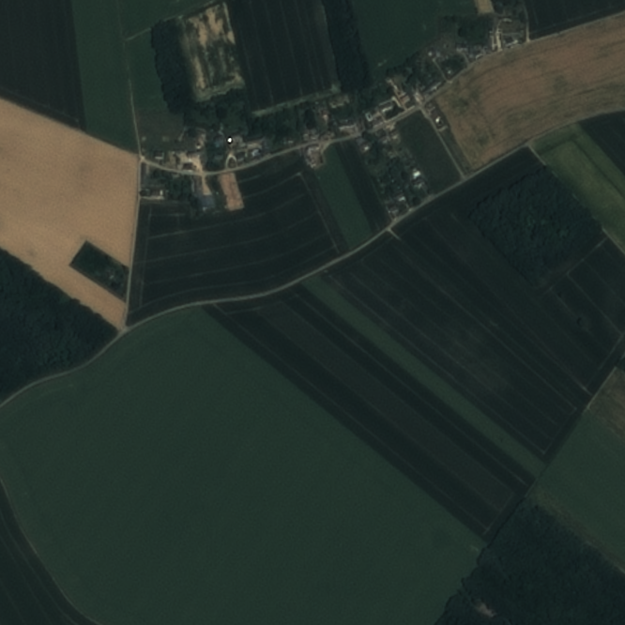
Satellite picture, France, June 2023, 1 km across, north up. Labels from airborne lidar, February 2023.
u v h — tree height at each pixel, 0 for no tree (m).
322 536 0
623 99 0
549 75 0
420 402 0
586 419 0
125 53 0
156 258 0
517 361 0
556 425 0
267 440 0
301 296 0
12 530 0
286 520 0
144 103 0
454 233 0
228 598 0
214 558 0
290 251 0
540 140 0
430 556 0
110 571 0
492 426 0
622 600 20
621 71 0
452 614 16
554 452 0
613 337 0
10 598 0
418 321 0
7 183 0
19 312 18
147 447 0
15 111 0
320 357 0
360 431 0
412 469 0
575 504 0
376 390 0
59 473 0
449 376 0
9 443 0
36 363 19
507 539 15
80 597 0
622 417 0
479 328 0
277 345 0
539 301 0
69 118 0
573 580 17
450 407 0
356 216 0
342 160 0
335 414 0
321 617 0
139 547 0
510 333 0
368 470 0
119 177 0
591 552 18
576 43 0
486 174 0
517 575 9
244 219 0
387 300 0
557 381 0
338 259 0
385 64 0
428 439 0
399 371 0
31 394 0
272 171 0
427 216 0
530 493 0
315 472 0
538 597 14
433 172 0
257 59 0
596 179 0
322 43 0
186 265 0
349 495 0
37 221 0
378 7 0
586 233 20
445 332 0
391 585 0
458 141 0
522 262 18
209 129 6
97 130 0
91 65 0
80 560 0
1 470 0
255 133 11
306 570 0
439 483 0
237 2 0
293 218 0
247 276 0
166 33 12
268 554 0
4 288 21
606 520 0
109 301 0
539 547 15
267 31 0
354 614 0
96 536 0
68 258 0
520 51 0
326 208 0
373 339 0
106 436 0
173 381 0
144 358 0
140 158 0
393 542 0
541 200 16
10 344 20
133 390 0
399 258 0
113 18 0
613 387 0
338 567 0
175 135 0
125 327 0
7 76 0
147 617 0
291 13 0
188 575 0
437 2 0
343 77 14
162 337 0
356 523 0
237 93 8
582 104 0
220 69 0
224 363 0
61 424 0
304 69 0
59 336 15
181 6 0
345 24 12
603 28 0
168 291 0
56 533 0
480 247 0
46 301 20
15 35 0
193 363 0
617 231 0
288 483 0
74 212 0
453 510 0
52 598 0
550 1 0
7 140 0
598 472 0
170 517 0
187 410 0
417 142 0
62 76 0
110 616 0
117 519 0
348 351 0
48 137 0
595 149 0
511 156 0
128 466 0
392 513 0
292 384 0
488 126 0
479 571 7
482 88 0
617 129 0
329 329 0
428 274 0
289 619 0
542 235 22
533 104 0
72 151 0
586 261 0
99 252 6
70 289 0
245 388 0
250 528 0
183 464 0
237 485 0
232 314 0
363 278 0
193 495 0
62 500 0
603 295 0
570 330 0
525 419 0
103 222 0
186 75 14
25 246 0
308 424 0
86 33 0
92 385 0
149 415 0
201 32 0
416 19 0
